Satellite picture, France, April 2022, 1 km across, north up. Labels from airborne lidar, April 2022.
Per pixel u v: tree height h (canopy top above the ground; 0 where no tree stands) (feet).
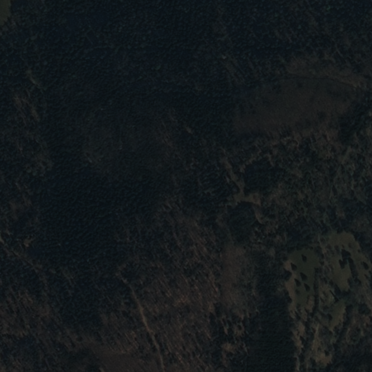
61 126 86
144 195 113
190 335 118
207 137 86
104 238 114
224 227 87
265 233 47
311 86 56
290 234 126
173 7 115
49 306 109
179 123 96
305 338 45
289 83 50
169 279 107
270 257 37
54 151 113
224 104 109
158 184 85
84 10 77
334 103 56
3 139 97
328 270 63
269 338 78
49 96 114
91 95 88
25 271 107
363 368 70
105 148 69
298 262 0
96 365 40
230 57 42
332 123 38
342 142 49
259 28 113
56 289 101
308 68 46
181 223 110
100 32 124
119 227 120
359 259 0
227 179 117
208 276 118
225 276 63
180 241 113
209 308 120
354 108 51
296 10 29
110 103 92
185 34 118
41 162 146
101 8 94
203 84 97
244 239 115
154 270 113
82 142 85
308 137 37
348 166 49
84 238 101
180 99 95
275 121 55
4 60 123
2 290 110
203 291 114
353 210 120
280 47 49
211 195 109
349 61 105
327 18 114
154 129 75
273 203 39
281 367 66
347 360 27
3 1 0
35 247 0
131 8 117
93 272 101
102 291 115
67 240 123
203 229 99
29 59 112
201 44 109
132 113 69
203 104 101
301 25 126
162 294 115
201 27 113
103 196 134
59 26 95
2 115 105
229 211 52
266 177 89
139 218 103
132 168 62
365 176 21
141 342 113
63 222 120
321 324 85
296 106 57
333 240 0
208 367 108
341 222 59
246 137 98
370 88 85
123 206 98
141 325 107
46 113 104
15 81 121
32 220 74
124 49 71
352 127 76
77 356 33
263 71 120
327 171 44
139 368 34
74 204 119
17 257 96
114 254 101
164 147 73
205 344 117
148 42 80
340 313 0
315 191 26
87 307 113
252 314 51
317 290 69
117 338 100
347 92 50
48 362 39
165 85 106
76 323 89
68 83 78
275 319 78
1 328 21
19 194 119
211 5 114
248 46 111
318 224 42
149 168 60
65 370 27
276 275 58
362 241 70
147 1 103
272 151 49
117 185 117
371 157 111
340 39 118
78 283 109
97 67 83
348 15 125
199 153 92
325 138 50
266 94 75
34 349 112
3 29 62
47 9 105
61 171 107
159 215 112
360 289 78
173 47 88
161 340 98
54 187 121
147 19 116
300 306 51
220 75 108
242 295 52
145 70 92
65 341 34
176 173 76
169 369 90
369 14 116
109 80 70
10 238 96
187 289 106
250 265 51
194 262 133
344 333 83
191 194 100
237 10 125
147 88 94
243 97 81
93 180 132
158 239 98
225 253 61
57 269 89
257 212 73
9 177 121
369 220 58
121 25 121
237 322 56
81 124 86
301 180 39
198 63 94
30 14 118
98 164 92
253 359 66
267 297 70
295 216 30
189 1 113
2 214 87
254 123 49
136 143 54
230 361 43
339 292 131
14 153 127
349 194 115
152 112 63
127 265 107
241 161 113
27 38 121
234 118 80
